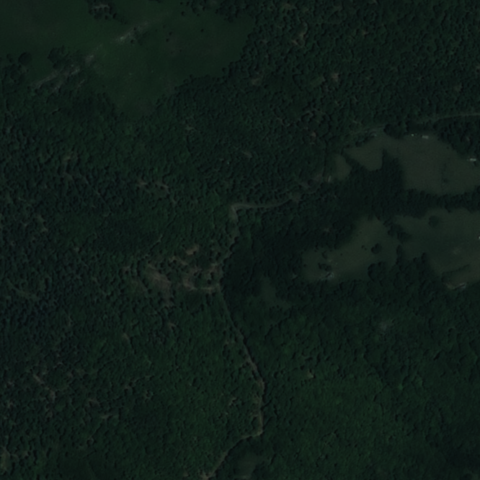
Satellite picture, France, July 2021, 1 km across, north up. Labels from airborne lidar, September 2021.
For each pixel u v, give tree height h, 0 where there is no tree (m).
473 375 18
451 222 0
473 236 0
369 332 7
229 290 23
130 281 7
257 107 17
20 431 20
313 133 27
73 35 0
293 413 26
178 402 19
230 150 15
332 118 27
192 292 10
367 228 0
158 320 22
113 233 22
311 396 14
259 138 17
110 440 20
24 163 10
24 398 26
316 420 24
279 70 25
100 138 17
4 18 0
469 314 20
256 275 26
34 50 0
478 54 18
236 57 0
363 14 18
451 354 21
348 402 16
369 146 0
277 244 22
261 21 20
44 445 26
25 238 18
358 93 22
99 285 10
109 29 0
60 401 26
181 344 24
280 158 21
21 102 19
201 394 16
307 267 14
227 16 11
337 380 26
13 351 28
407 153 0
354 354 13
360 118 22
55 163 20
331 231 10
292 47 22
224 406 20
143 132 9
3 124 23
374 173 16
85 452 14
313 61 23
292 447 23
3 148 17
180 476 16
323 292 22
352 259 0
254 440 23
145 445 13
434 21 16
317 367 27
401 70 19
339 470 24
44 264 23
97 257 19
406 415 21
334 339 8
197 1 22
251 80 22
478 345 7
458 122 14
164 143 14
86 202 25
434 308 29
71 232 23
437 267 0
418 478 27
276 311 10
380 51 13
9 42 0
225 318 23
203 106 19
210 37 0
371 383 20
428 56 14
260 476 28
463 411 22
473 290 10
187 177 24
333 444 26
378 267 20
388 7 21
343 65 23
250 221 23
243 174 18
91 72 7
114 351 14
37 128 21
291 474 17
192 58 0
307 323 21
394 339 10
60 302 18
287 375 25
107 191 25
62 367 20
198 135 15
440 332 28
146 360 14
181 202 19
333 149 6
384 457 17
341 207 30
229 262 29
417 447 27
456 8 11
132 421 15
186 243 19
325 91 24
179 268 15
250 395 24
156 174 25
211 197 24
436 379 15
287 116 27
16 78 21
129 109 0
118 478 8
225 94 18
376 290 21
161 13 0
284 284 20
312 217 23
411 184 0
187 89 11
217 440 25
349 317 21
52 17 0
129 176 25
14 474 21
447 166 0
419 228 0
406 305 6
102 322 16
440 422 10
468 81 21
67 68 19
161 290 7
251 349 29
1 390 21
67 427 15
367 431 15
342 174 0
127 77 0
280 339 34
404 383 19
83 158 19
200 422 19
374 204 18
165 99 9
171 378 17
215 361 23
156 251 21
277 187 19
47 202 12
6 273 13
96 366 24
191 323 29
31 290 9
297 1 20
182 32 0
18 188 24
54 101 20
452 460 28
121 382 20
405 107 22
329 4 23
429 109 24
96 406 25
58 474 13
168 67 0
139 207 24
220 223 16
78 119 23
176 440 16
